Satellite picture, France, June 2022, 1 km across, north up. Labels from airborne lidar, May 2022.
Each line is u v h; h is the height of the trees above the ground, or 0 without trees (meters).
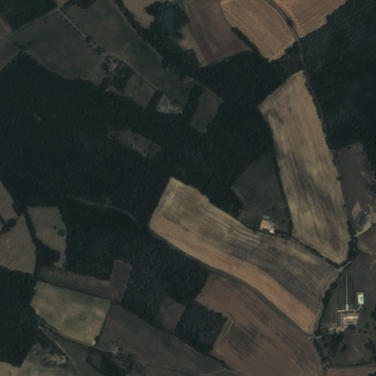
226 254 0
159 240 10
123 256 16
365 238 0
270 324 0
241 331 0
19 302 13
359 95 16
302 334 0
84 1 18
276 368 0
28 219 15
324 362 20
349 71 14
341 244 0
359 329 7
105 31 0
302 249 0
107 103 16
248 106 21
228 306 0
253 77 14
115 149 11
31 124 13
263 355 0
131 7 0
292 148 0
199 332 19
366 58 13
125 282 0
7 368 0
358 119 13
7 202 0
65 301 0
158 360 0
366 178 0
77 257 14
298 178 0
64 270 0
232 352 0
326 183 0
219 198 17
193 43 0
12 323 15
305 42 11
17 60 14
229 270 0
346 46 9
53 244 0
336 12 13
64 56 0
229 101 15
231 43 0
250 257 0
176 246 0
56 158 12
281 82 15
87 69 0
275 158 9
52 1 11
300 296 0
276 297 0
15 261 0
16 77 14
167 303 0
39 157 17
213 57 0
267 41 0
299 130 0
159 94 17
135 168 13
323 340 10
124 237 18
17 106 11
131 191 15
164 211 0
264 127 9
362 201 0
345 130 17
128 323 0
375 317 12
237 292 0
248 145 10
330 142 14
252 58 13
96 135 14
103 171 15
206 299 0
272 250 0
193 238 0
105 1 0
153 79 0
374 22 13
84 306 0
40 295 0
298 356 0
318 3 0
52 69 0
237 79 16
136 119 19
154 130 19
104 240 23
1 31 0
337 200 0
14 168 14
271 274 0
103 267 19
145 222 15
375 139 11
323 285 0
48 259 11
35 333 13
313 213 0
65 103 19
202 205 0
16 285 23
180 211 0
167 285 14
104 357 12
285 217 0
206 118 0
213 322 20
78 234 20
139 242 17
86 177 13
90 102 20
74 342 7
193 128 8
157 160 11
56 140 12
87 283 0
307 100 0
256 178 0
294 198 0
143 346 0
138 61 0
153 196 15
